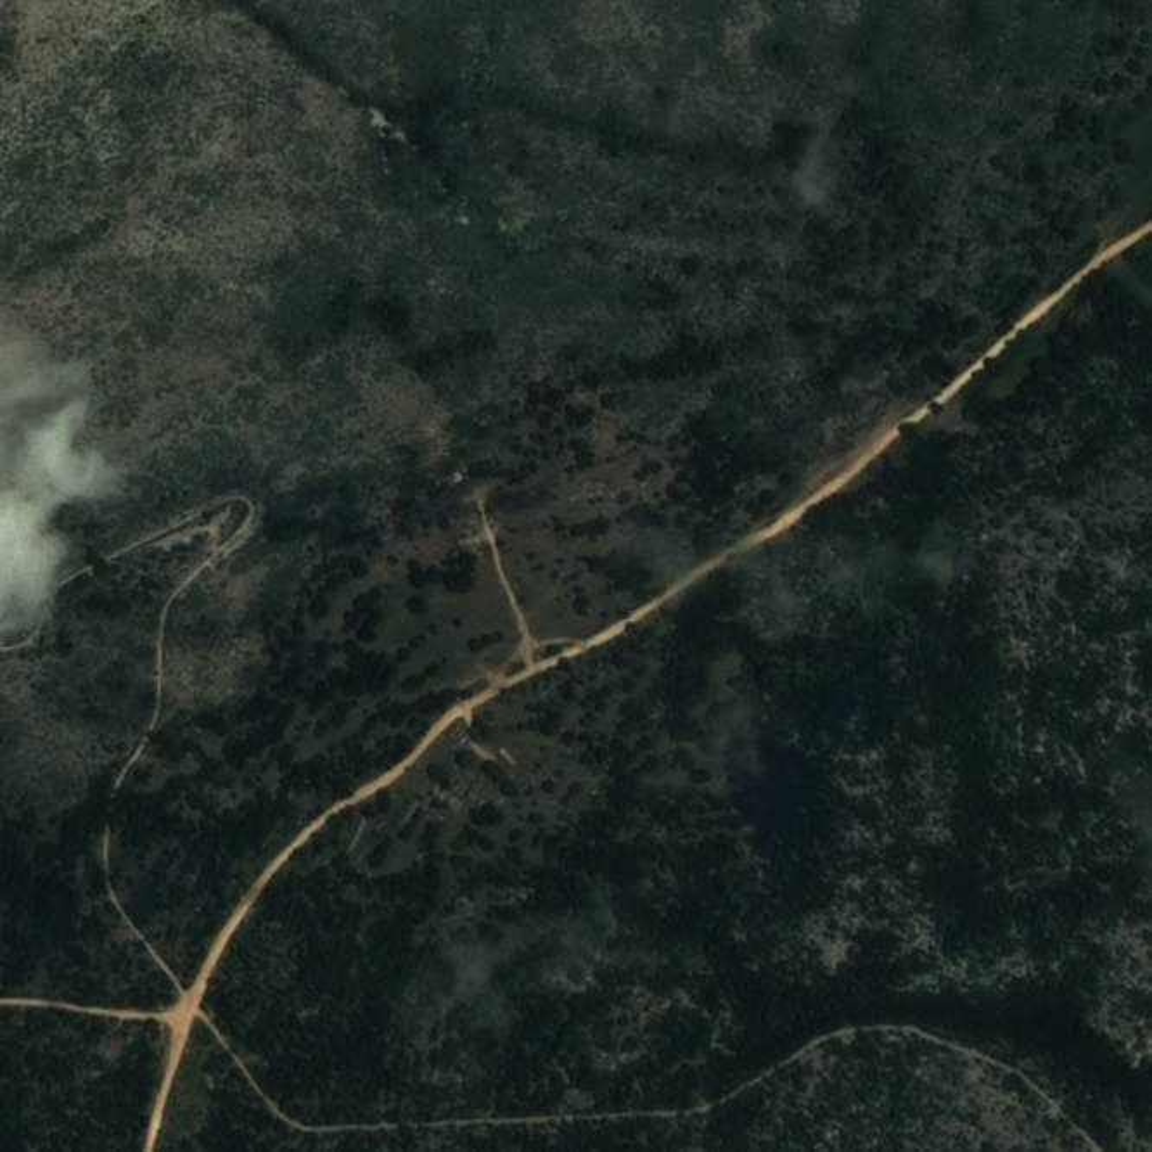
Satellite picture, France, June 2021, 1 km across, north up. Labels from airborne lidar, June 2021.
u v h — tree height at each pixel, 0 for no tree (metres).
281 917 9
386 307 8
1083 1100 7
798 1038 9
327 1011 8
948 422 0
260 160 0
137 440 0
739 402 7
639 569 8
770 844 8
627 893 16
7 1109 7
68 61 0
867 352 11
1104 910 8
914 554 14
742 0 0
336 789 9
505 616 0
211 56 0
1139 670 7
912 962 7
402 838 9
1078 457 10
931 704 7
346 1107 7
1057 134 8
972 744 7
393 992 8
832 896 6
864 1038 7
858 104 7
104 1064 6
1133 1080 11
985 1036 7
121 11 0
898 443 0
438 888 13
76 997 6
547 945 11
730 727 8
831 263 6
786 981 9
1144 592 6
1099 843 6
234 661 0
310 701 7
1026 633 7
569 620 0
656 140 6
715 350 8
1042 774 9
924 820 7
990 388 0
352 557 6
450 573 10
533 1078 6
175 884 6
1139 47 8
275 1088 10
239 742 7
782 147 9
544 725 9
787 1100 6
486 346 6
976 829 6
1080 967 8
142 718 0
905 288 6
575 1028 10
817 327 9
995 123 9
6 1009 7
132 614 0
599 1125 7
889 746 7
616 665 9
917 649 8
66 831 13
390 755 8
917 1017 6
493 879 9
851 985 9
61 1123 6
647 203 8
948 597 6
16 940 7
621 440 9
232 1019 7
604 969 7
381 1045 6
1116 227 0
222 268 0
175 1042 0
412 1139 6
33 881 10
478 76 7
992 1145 8
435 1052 12
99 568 12
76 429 0
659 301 7
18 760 0
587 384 9
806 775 9
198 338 0
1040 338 0
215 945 0
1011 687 6
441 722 0
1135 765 9
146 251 0
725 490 9
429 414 0
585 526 6
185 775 6
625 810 11
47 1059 8
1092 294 8
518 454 8
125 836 10
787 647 7
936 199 6
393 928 7
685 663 17
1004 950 7
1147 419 10
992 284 7
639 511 9
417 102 7
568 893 11
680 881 6
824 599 9
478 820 12
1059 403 7
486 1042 7
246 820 8
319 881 6
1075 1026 9
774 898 6
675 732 9
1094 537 10
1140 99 9
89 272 0
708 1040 7
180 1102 0
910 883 8
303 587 7
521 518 0
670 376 10
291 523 9
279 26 7
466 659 0
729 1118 7
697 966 9
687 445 8
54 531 12
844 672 8
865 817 7
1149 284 0
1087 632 7
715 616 10
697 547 9
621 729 10
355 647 13
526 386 6
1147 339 9
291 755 10
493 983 7
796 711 6
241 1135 7
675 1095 6
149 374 0
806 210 6
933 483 8
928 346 6
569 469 8
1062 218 8
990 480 9
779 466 8
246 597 0
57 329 0
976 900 11
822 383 5
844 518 7
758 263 6
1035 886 6
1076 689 6
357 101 6
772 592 8
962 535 6
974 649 12
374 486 6
